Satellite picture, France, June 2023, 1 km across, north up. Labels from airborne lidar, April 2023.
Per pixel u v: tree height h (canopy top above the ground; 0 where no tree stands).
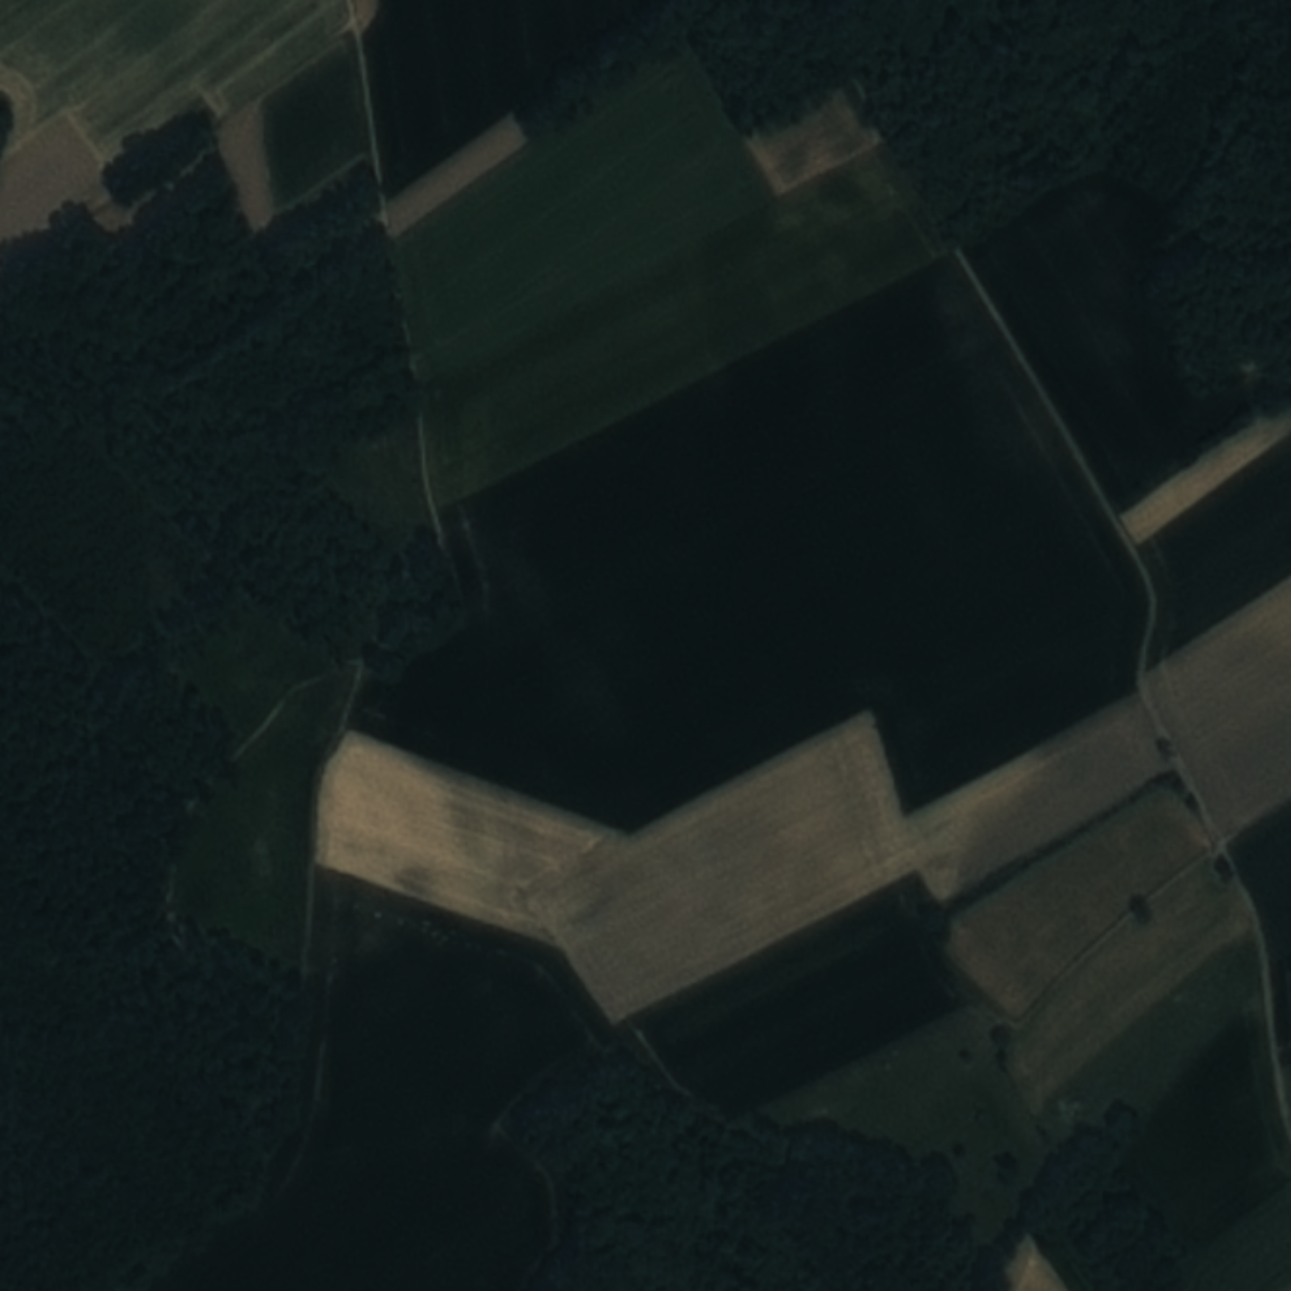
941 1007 0
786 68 20
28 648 27
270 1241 0
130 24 0
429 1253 0
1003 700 0
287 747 0
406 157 0
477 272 0
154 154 24
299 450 29
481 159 0
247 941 0
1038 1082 0
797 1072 0
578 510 0
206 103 0
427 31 0
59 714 14
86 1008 21
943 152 25
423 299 0
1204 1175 0
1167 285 22
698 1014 0
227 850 0
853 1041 0
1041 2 25
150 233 26
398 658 12
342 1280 0
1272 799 0
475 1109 0
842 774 0
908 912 0
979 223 14
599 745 0
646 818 0
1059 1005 0
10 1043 21
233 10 0
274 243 20
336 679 0
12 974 26
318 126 0
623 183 0
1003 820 0
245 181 0
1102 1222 25
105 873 26
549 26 0
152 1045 25
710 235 0
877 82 21
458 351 0
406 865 0
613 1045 0
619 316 0
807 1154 21
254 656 0
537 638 0
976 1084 0
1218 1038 0
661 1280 32
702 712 0
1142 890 0
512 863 0
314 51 0
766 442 0
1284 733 0
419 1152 0
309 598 28
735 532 0
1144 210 0
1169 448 0
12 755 27
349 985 0
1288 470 0
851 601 0
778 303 0
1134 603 0
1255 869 0
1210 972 0
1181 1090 0
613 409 0
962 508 0
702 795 0
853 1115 0
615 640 0
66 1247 23
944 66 28
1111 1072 0
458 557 0
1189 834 0
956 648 0
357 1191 0
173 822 25
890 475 0
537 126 16
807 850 0
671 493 0
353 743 0
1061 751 0
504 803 0
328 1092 0
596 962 0
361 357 17
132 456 26
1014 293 0
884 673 0
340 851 0
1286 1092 0
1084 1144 15
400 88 0
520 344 0
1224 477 0
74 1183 27
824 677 0
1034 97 28
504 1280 0
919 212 0
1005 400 0
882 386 0
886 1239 31
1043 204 0
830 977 0
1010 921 0
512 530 0
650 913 0
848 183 0
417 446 0
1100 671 0
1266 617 0
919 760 0
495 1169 0
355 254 23
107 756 27
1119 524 0
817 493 0
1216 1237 0
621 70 16
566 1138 34
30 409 28
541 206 0
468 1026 0
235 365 20
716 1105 0
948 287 0
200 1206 24
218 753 27
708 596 0
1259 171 28
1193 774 0
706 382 0
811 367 0
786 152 0
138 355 26
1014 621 0
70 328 25
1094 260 0
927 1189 18
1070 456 0
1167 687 0
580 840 0
